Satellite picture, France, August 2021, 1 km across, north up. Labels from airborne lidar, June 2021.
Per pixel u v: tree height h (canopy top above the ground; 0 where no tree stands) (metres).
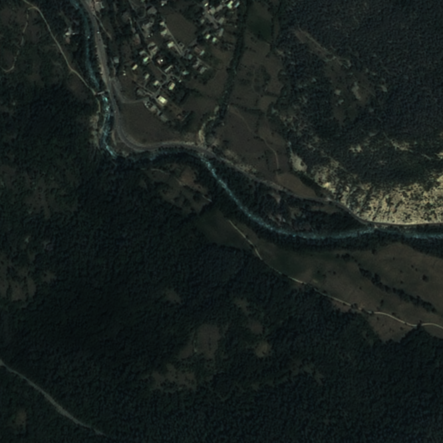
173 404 9
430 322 0
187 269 10
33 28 0
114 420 19
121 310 16
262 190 21
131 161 14
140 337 20
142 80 0
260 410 13
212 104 0
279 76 5
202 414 18
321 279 0
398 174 11
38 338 19
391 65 10
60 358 12
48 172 9
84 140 6
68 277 17
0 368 11
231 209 17
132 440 11
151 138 0
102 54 0
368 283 0
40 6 9
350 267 0
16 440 12
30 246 7
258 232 19
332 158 10
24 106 15
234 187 14
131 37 9
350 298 0
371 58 9
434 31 12
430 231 11
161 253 23
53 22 15
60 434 12
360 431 13
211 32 7
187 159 24
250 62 0
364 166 9
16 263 7
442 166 7
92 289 23
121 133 0
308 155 11
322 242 6
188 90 9
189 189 9
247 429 15
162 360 22
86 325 20
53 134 16
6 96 12
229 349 12
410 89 13
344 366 12
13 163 8
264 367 11
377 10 8
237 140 0
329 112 8
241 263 16
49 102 11
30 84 8
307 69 11
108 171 12
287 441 18
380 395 17
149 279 15
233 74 7
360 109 6
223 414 13
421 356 12
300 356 11
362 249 13
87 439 15
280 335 20
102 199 20
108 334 19
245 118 0
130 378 21
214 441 28
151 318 16
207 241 10
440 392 15
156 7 10
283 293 18
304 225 17
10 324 19
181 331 11
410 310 0
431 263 0
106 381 17
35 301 13
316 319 17
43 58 8
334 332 8
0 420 12
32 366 27
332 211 0
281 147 0
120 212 15
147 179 12
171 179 0
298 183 0
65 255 23
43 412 15
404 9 12
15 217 10
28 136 18
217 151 11
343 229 11
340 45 7
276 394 12
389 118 9
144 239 12
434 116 9
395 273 0
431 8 7
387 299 0
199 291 22
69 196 10
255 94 0
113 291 15
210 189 19
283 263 0
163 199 13
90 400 21
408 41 10
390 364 18
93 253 16
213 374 6
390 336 0
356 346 9
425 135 8
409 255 0
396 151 6
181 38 0
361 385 18
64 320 21
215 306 27
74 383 12
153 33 13
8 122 21
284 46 7
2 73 8
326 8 6
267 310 21
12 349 24
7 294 7
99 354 19
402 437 16
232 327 7
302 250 18
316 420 10
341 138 7
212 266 15
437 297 0
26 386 13
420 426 21
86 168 17
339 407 16
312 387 14
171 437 27
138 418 13
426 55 8
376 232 10
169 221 18
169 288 8
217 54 0
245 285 20
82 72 8
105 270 16
